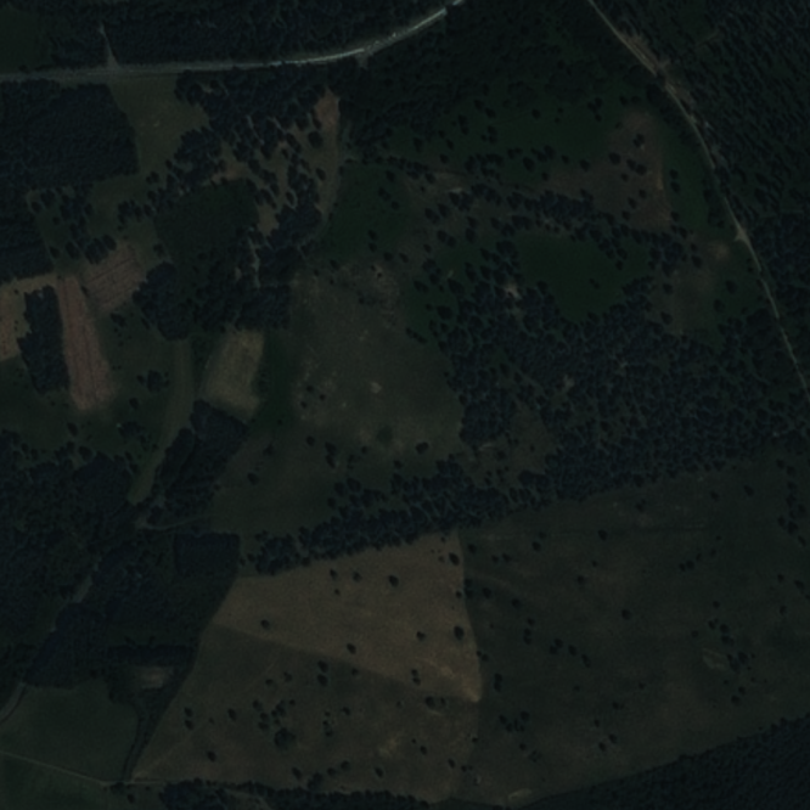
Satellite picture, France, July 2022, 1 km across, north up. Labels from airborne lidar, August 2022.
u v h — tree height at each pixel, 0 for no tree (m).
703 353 19
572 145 0
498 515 15
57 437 0
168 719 0
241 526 0
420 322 0
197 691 0
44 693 0
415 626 0
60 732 0
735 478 0
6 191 20
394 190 0
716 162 16
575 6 9
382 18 19
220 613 0
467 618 0
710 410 13
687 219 0
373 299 0
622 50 12
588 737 0
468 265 12
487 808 0
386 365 0
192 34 24
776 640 0
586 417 0
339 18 17
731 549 0
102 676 9
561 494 21
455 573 0
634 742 0
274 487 0
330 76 11
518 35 8
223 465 12
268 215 0
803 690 0
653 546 0
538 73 8
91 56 22
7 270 20
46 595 16
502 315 23
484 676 0
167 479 13
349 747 0
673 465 14
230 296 16
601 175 0
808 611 0
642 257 0
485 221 0
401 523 15
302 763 0
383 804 8
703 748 0
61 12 22
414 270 0
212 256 8
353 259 0
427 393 0
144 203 0
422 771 0
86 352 0
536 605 0
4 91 6
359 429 0
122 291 0
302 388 0
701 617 0
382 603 0
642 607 0
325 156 0
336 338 0
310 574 0
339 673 0
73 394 0
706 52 0
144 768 0
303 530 10
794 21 26
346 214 0
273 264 24
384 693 0
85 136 22
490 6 8
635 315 17
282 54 9
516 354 15
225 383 0
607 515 0
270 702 0
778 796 13
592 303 0
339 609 0
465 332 13
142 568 23
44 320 28
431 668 0
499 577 0
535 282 0
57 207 0
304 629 0
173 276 28
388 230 0
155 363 0
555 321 21
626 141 0
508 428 9
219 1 17
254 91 8
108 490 22
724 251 0
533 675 0
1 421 0
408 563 0
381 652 0
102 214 0
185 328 22
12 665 9
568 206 21
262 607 0
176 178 10
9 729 0
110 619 19
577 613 0
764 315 15
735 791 13
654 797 8
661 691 0
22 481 13
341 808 7
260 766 0
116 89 0
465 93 6
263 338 0
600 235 16
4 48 0
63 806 0
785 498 0
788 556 0
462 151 0
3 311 0
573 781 0
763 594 0
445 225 0
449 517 18
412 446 0
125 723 0
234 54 23
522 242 0
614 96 0
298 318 0
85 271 0
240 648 0
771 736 6
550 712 0
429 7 12
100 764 0
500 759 0
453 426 0
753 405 14
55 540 20
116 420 0
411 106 12
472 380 22
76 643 23
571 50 0
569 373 17
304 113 14
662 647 0
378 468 0
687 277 0
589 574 0
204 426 29
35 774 0
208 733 0
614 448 11
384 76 8
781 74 0
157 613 22
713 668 0
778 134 26
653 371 14
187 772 0
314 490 0
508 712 0
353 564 0
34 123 23
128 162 20
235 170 0
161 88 0
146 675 0
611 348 15
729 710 0
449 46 8
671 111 13
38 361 25
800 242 16
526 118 0
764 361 6
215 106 25
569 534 0
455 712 0
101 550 21
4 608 22
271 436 0
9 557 28
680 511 0
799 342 6
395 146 0
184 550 22
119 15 13
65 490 22
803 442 13
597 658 0
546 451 0
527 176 0
